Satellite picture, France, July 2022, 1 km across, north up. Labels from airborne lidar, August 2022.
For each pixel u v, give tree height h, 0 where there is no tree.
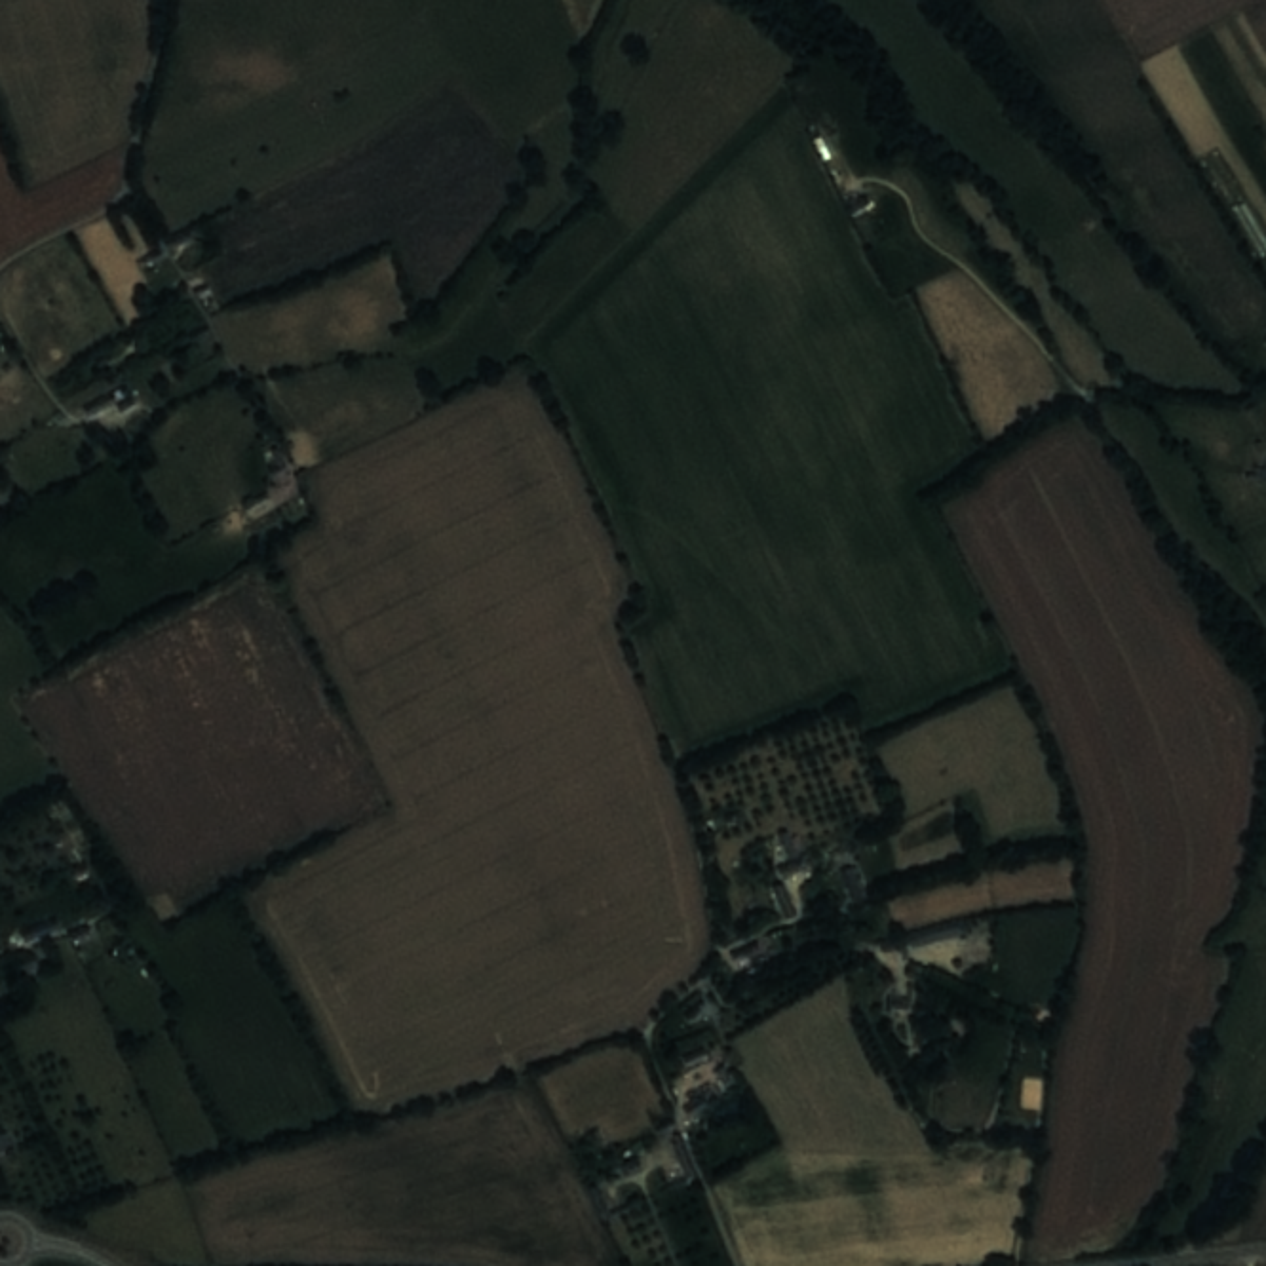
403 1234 0
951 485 11
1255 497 0
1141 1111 0
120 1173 0
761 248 0
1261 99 0
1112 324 0
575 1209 0
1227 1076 0
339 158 0
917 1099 11
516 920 0
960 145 0
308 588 0
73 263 0
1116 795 0
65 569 0
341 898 0
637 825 0
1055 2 0
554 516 0
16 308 0
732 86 0
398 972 0
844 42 20
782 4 10
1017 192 0
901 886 17
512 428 0
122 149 0
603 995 0
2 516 15
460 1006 0
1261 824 15
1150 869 0
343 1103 8
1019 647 0
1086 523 0
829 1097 0
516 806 0
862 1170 0
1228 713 0
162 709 0
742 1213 0
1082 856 13
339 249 0
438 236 0
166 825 0
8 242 0
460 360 0
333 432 0
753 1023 9
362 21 0
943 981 11
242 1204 0
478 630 0
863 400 0
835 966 9
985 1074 0
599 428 0
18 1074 13
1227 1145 0
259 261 0
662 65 0
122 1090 0
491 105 0
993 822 0
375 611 0
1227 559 0
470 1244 0
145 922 0
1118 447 15
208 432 0
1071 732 0
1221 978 0
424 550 0
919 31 0
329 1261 0
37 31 0
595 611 0
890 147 13
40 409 0
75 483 12
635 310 0
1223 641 17
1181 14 0
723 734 0
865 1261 0
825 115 0
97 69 0
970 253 0
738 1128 7
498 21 0
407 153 0
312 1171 0
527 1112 0
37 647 12
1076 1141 0
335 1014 0
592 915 0
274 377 11
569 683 0
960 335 0
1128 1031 0
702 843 12
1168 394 11
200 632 0
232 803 0
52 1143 15
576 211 8
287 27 0
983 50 22
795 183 0
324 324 0
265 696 0
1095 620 0
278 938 0
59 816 0
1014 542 0
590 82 8
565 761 0
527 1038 0
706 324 0
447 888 0
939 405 0
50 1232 0
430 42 0
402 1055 0
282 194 0
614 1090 0
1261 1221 0
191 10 0
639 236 0
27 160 0
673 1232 0
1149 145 0
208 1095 12
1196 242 0
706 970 10
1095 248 0
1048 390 0
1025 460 0
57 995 0
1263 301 0
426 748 0
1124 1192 0
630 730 0
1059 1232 0
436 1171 0
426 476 0
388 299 0
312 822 0
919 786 0
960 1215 0
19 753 0
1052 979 0
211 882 0
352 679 0
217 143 0
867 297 0
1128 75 0
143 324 8
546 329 0
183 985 0
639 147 0
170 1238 0
